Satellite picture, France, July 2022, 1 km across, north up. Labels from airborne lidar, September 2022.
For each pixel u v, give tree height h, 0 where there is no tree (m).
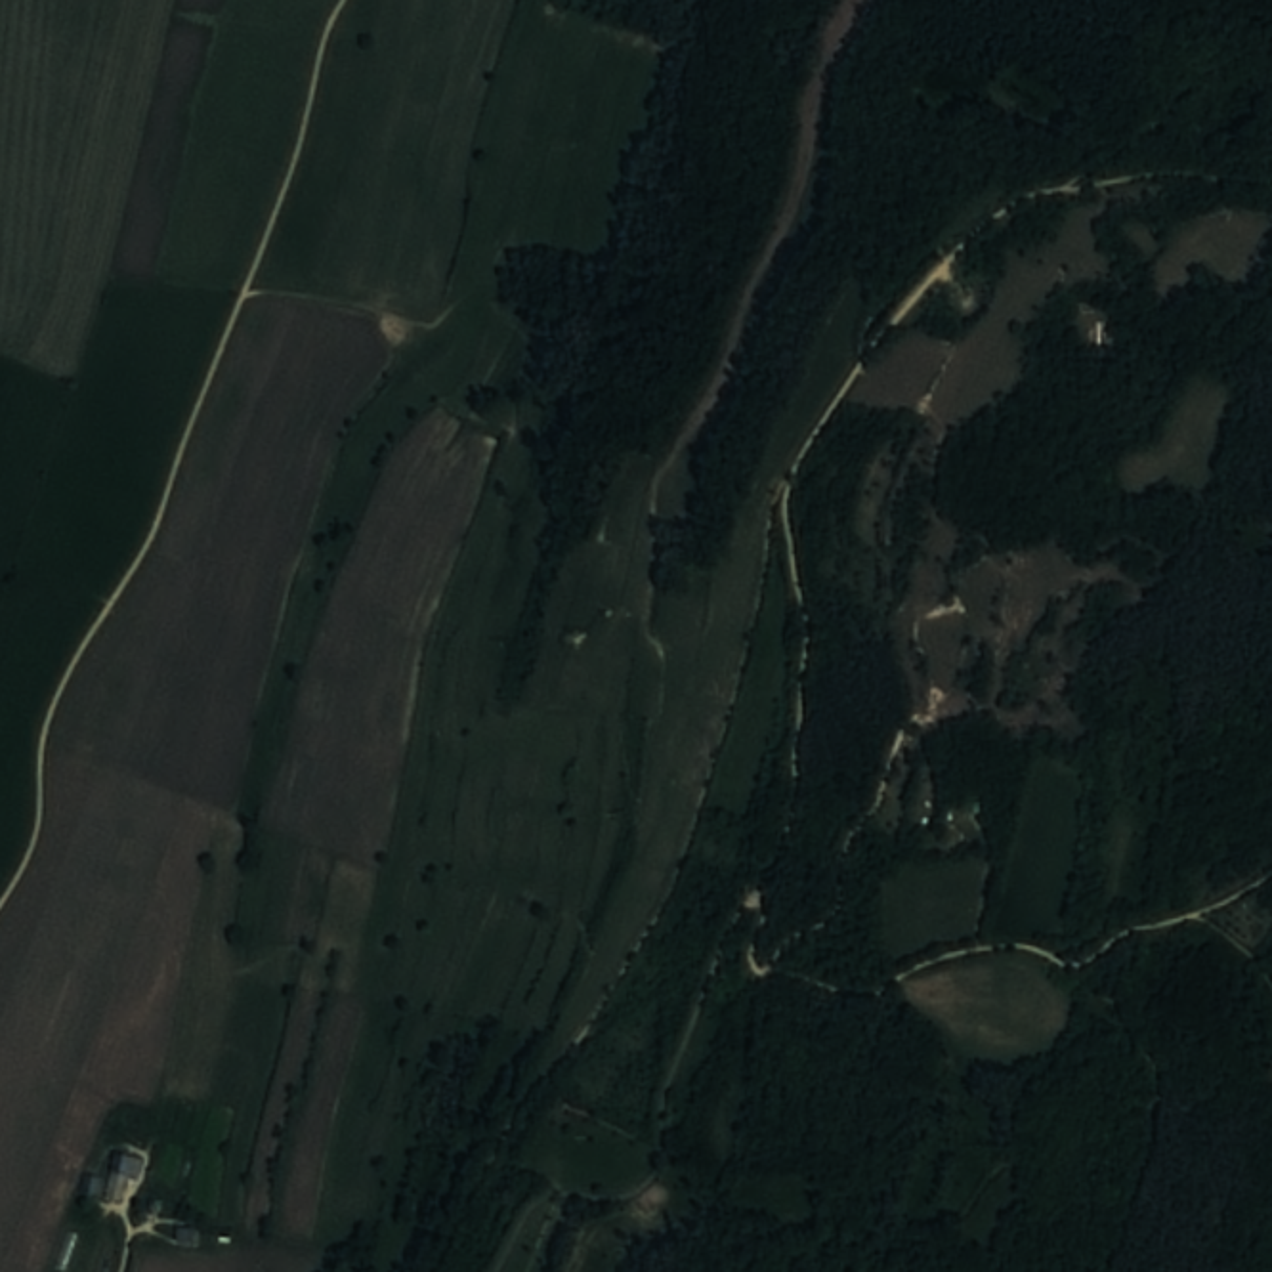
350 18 0
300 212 0
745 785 0
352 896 0
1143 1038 21
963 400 0
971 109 25
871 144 17
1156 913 11
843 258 21
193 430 0
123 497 0
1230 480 13
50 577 0
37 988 0
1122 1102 11
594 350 26
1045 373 10
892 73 16
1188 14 18
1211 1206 17
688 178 25
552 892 0
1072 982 11
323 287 0
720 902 10
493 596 0
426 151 0
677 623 0
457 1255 10
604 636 0
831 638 10
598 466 21
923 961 12
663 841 0
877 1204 15
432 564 0
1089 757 13
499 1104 14
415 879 0
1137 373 12
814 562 8
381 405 0
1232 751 14
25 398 0
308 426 0
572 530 15
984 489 10
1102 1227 10
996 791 15
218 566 0
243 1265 0
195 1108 0
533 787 0
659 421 15
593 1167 0
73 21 0
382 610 0
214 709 0
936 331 11
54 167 0
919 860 16
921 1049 13
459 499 0
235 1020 0
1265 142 22
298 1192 0
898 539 8
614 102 0
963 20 19
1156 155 13
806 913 13
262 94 0
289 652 0
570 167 0
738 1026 7
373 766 0
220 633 0
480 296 0
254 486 0
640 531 0
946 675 0
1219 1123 17
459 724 0
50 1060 0
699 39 18
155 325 0
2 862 0
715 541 19
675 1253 21
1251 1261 12
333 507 0
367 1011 0
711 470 21
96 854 0
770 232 11
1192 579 17
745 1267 6
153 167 0
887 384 0
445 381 0
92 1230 0
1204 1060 21
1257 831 16
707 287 14
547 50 0
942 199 18
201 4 0
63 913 0
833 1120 13
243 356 0
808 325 17
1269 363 15
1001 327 0
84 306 0
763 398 20
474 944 0
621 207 21
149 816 0
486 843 0
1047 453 7
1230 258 0
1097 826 13
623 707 0
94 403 0
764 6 22
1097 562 9
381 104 0
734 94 18
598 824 0
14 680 0
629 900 0
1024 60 17
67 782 0
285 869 0
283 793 0
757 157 19
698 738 0
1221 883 14
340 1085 0
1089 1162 7
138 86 0
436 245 0
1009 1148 14
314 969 0
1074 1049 15
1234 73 14
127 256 0
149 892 0
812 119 0
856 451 8
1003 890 16
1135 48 15
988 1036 0
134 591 0
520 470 0
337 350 0
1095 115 20
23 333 0
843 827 7
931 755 13
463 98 0
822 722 11
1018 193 10
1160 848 13
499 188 0
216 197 0
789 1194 0
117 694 0
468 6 0
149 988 0
